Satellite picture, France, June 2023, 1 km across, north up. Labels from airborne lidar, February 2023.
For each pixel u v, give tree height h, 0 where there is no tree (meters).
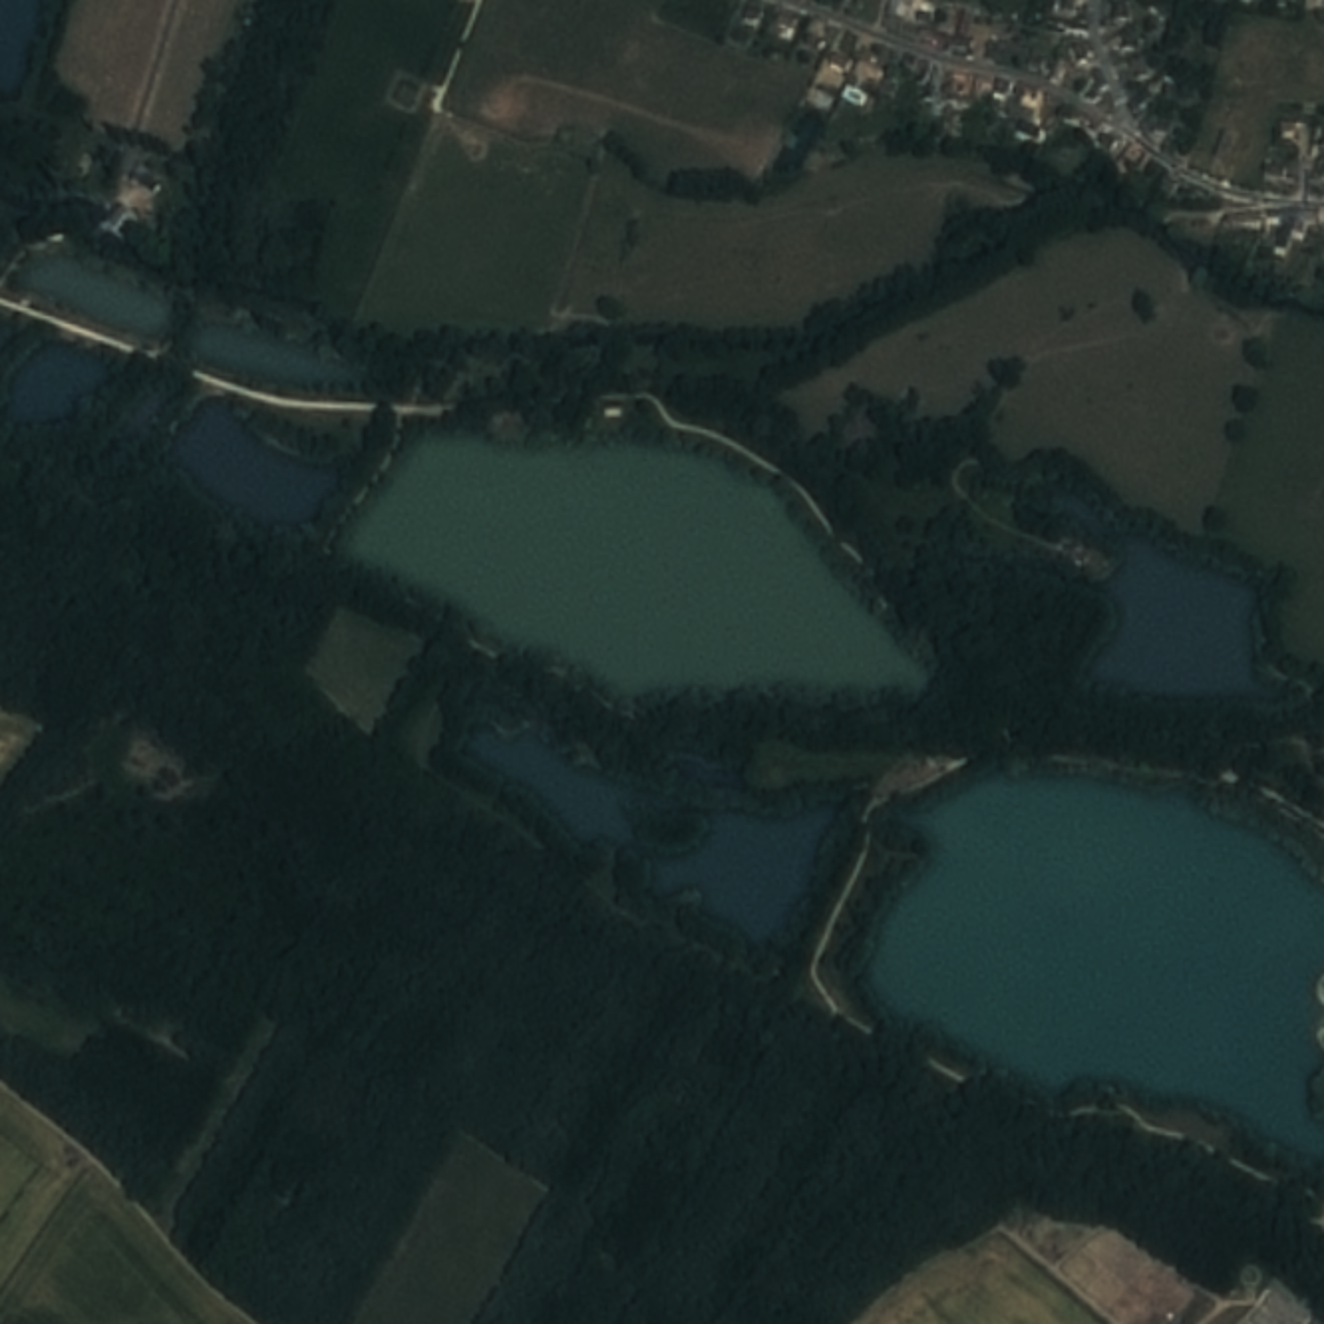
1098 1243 0
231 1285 13
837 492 18
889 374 0
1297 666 9
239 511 0
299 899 21
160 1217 0
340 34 0
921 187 0
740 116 0
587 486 0
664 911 12
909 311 21
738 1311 15
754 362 0
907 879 8
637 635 0
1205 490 0
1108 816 0
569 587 0
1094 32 0
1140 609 0
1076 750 11
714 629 0
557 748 14
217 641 12
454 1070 14
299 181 0
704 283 0
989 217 12
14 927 18
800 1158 16
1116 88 0
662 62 0
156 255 21
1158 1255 13
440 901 19
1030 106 0
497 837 18
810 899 7
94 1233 0
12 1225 0
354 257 0
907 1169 25
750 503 0
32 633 18
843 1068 23
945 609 30
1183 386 0
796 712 21
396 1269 0
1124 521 13
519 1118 15
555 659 8
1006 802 0
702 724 17
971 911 0
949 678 19
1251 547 0
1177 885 0
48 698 12
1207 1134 0
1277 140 7
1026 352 0
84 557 18
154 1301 0
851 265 0
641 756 24
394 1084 19
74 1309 0
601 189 0
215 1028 21
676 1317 16
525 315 0
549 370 7
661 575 0
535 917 20
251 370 0
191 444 0
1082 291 0
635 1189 12
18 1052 15
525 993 16
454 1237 0
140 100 0
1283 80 0
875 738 20
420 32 0
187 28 0
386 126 0
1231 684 0
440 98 0
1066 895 0
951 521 13
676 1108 12
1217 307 0
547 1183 10
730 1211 17
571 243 0
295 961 17
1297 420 0
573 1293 17
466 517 0
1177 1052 0
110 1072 16
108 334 0
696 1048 20
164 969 13
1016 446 0
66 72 0
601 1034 19
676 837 13
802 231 0
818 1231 22
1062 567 11
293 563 25
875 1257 19
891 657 0
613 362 19
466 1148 0
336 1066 13
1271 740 16
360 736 9
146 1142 17
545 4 0
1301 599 0
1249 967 0
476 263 0
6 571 18
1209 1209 12
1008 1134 21
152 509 28
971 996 0
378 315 0
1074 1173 20
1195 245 6
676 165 0
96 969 20
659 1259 13
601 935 19
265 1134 7
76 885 23
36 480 29
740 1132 18
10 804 12
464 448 0
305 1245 19
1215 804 12
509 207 0
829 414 0
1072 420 0
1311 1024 0
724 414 14
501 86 0
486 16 0
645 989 22
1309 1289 8
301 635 16
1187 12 11
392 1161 19
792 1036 24
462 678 14
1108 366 0
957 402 0
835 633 0
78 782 18
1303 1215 20
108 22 0
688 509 0
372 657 0
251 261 19
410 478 0
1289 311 6
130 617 17
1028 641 22
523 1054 18
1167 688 0
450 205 0
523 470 0
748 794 9
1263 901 0
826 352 20
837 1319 18
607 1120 11
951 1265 0
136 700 12
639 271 0
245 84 9
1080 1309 0
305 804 7
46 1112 9
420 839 15
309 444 16
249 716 16
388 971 15
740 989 18
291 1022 17
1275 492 0
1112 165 14
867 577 11
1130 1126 0
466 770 16
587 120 0
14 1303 0
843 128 0
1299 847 11
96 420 22
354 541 0
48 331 15
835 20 0
